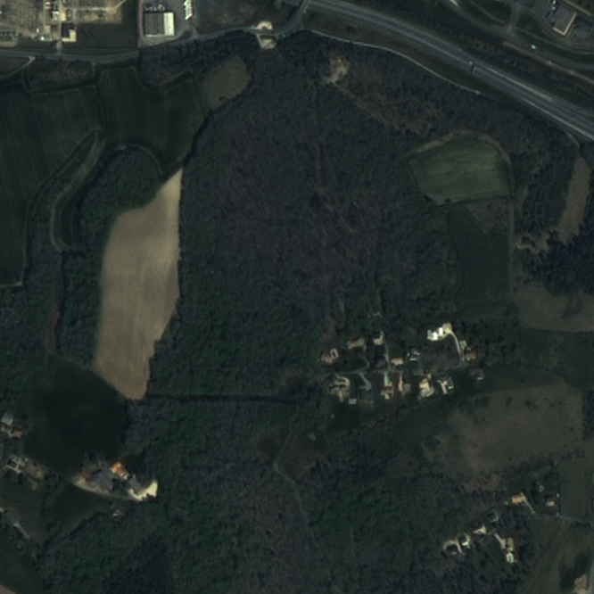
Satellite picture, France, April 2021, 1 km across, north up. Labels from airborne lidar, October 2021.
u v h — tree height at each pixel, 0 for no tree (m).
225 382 22
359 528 19
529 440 0
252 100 20
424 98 9
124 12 0
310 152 17
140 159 19
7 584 0
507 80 0
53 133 0
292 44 9
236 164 14
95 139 0
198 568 19
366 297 23
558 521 6
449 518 22
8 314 14
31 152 0
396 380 0
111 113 0
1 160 0
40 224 8
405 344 9
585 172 0
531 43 0
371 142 21
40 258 16
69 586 20
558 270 23
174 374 21
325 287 19
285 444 0
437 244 20
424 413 0
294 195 19
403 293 15
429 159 0
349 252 18
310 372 22
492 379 0
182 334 22
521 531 18
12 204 0
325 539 19
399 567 27
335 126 22
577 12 0
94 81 0
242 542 19
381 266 18
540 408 0
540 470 11
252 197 18
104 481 0
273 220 13
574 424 0
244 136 16
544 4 0
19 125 0
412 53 0
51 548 20
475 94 10
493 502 21
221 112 16
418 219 24
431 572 19
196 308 28
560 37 0
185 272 22
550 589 0
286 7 10
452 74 0
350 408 0
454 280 11
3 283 0
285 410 15
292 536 18
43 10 0
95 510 0
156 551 17
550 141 14
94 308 21
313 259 22
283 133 18
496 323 0
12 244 0
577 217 0
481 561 0
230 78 0
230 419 20
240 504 17
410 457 12
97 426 0
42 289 16
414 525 21
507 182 0
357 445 13
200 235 22
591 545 0
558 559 0
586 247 21
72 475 0
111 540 23
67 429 0
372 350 9
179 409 25
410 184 18
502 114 14
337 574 24
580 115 0
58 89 0
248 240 21
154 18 0
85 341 24
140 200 19
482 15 0
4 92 0
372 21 0
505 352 15
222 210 14
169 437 17
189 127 0
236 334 22
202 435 24
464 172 0
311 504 19
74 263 24
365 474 17
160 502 14
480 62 0
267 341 24
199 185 24
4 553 0
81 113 0
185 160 0
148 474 20
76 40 0
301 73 10
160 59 15
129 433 18
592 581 0
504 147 18
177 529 22
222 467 17
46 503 13
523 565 18
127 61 0
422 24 12
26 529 0
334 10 0
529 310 0
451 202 10
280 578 19
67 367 0
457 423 0
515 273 0
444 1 0
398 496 23
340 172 23
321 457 0
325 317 24
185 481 16
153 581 16
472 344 11
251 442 20
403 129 8
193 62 15
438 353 9
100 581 18
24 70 0
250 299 21
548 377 0
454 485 14
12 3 0
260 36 0
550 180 12
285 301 22
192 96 0
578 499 0
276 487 21
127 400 0
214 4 0
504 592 18
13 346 23
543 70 7
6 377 15
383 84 7
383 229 14
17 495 0
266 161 18
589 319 0
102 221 12
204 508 17
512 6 0
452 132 14
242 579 16
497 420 0
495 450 0
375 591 20
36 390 0
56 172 0
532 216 9
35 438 0
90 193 19
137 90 0
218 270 18
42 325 17
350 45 8
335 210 13
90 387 0
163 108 0
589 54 0
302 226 16
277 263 15
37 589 0
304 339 21
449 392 0
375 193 21
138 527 18
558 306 0
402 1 0
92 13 0
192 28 0
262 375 22
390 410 0
